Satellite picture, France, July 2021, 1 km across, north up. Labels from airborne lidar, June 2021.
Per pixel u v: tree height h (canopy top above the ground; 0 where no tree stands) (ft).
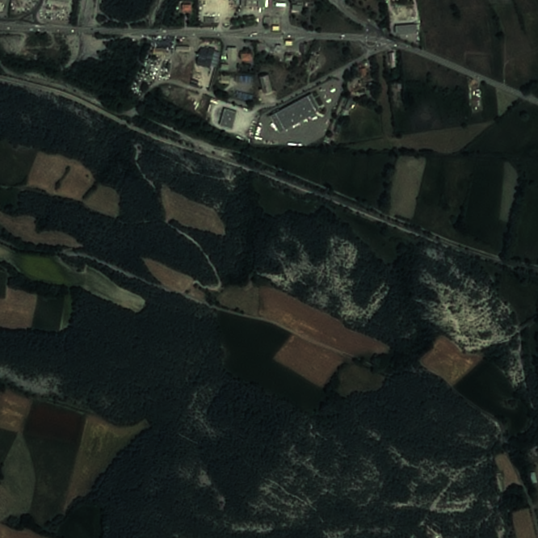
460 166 0
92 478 0
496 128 0
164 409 38
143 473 25
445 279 20
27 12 0
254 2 0
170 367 31
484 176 0
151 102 41
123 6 50
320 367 0
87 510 0
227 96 51
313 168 0
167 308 26
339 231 26
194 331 35
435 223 0
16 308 0
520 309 0
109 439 0
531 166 0
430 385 33
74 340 42
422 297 31
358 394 23
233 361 0
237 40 0
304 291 25
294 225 29
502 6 0
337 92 0
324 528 27
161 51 0
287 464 26
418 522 21
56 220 30
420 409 30
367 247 43
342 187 0
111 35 26
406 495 20
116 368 29
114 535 53
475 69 0
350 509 22
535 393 50
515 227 67
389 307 42
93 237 20
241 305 0
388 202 72
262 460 26
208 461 37
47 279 0
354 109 0
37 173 0
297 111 0
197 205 0
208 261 28
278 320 0
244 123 0
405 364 44
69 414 0
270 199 0
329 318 0
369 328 27
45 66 31
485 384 0
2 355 30
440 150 0
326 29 0
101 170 25
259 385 27
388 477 22
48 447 0
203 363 30
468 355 0
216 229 0
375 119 0
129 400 24
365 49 0
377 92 55
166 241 33
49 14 0
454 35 0
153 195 29
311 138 0
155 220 25
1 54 40
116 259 34
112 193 0
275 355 0
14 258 0
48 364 28
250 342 0
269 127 0
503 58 0
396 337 32
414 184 0
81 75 42
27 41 0
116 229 42
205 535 22
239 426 43
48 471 0
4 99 32
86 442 0
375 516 20
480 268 42
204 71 0
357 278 23
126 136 40
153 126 25
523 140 0
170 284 0
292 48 0
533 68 0
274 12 0
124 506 40
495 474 40
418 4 0
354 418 28
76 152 31
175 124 22
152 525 27
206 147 0
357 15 0
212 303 34
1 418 0
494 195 0
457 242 0
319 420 27
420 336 37
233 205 40
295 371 0
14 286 26
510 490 45
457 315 0
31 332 58
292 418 33
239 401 40
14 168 0
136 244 32
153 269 0
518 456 50
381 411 39
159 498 26
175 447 39
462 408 28
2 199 0
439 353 0
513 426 0
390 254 0
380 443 24
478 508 30
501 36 44
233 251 20
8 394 0
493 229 0
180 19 26
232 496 45
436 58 0
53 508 0
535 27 0
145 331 42
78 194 0
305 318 0
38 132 25
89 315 41
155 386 36
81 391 27
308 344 0
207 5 0
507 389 0
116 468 45
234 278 59
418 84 20
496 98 0
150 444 47
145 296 19
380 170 0
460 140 0
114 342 41
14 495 0
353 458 18
